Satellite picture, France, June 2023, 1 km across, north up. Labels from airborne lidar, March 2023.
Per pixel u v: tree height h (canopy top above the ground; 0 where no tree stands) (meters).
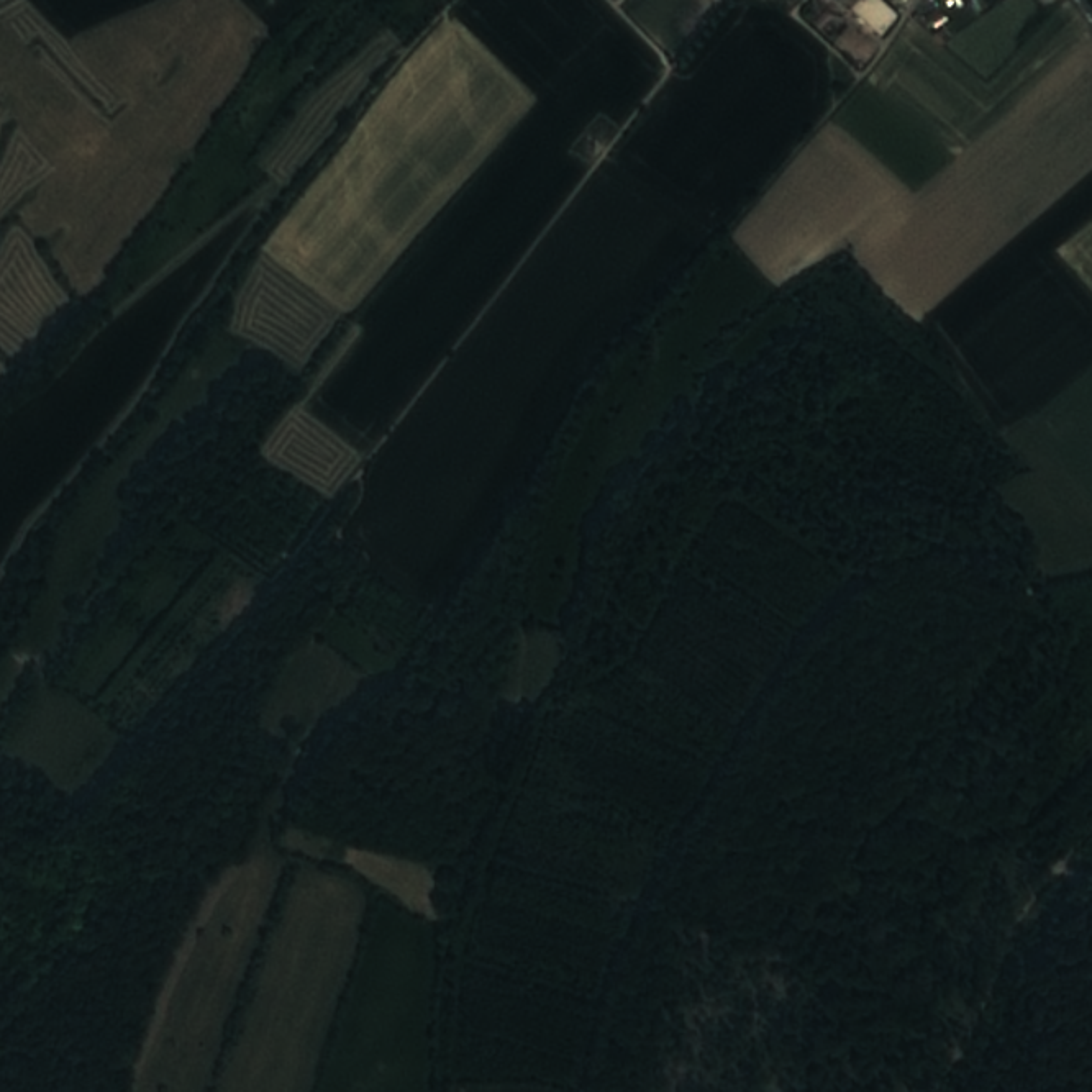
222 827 30
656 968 23
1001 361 0
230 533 12
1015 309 0
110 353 0
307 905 0
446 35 0
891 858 22
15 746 0
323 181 0
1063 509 0
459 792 15
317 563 21
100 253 0
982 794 25
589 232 0
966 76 0
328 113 0
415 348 0
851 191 0
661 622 10
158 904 26
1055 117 0
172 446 23
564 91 0
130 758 25
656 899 20
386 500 0
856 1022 27
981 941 26
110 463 10
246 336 0
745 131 0
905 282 0
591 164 0
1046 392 0
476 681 31
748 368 6
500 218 0
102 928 25
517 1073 11
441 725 34
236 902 0
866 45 0
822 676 24
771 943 28
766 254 0
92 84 0
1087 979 31
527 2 0
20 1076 30
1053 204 0
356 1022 0
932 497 22
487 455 0
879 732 26
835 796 29
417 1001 0
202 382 0
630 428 0
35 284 0
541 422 0
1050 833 7
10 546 0
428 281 0
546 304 0
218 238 0
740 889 29
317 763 27
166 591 0
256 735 27
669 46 0
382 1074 0
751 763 25
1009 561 24
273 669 26
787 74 0
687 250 0
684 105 0
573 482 0
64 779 0
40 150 0
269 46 8
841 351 11
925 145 0
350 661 7
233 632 9
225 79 0
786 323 0
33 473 0
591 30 0
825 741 26
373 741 30
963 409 11
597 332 0
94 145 0
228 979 0
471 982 7
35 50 0
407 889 0
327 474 0
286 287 0
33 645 0
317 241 0
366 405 0
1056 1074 25
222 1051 7
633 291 0
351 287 0
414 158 0
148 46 0
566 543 0
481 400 0
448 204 0
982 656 27
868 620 24
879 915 24
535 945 9
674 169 0
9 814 29
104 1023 24
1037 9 0
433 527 0
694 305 0
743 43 0
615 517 30
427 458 0
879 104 0
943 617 27
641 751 10
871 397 9
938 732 24
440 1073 9
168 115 0
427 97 0
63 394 0
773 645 7
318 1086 7
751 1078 31
